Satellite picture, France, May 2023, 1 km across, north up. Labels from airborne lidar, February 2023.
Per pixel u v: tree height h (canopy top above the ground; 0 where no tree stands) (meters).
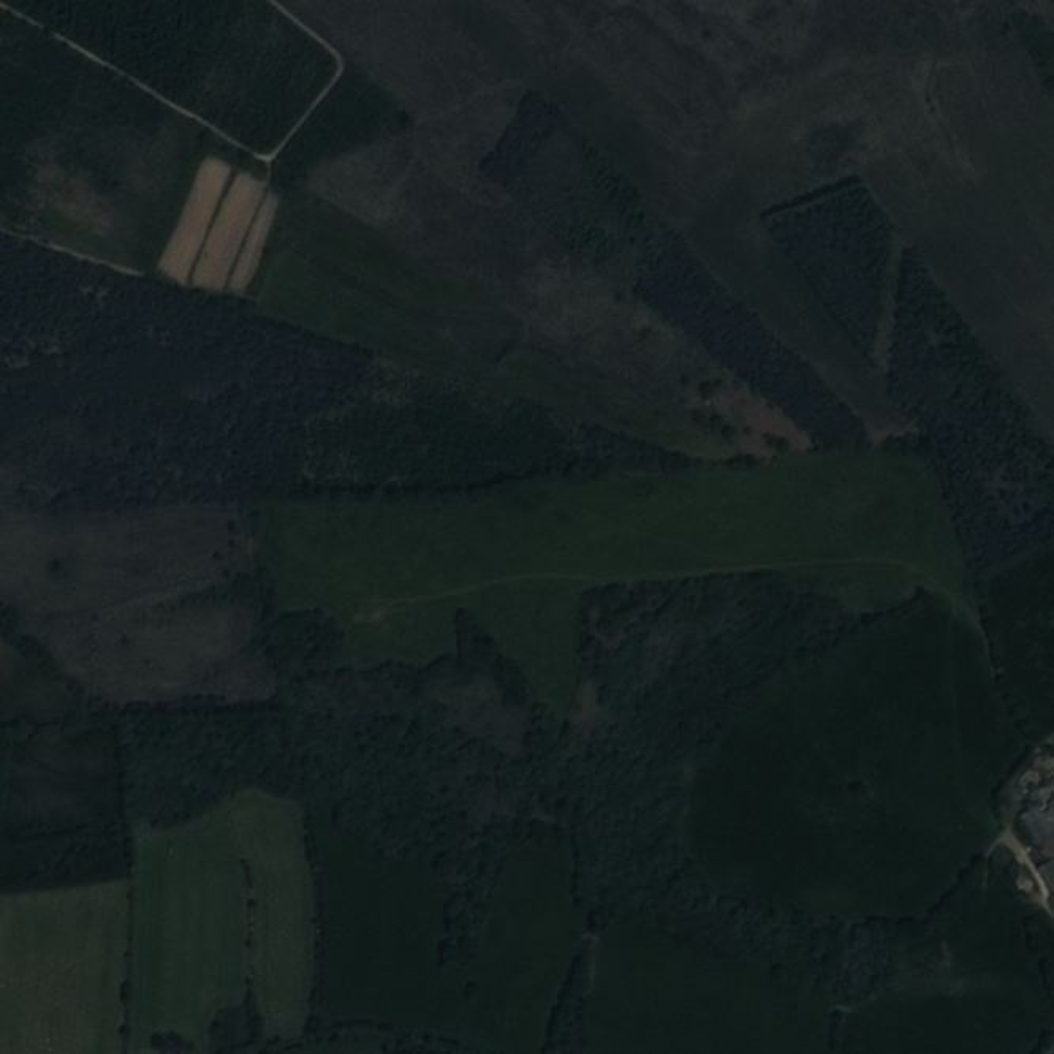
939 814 0
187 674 0
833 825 0
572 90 0
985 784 0
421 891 0
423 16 0
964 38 0
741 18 0
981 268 0
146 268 0
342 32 0
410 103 0
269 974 0
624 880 9
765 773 0
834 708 0
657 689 7
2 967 0
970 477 18
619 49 0
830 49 0
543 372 0
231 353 14
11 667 0
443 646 0
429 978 0
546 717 7
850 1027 0
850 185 15
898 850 0
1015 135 0
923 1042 0
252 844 0
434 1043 13
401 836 10
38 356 13
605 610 6
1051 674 0
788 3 0
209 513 0
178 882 0
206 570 0
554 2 0
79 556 0
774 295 0
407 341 0
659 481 0
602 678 8
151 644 0
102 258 0
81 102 0
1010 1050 0
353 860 0
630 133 0
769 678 9
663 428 0
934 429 14
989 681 0
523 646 0
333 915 0
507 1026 0
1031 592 0
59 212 0
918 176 0
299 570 0
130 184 0
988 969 0
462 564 0
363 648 0
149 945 0
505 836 12
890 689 0
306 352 17
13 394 12
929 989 0
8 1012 0
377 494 20
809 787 0
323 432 7
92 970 0
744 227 0
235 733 7
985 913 0
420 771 9
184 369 19
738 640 7
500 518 0
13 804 0
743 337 8
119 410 16
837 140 0
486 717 0
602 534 0
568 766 8
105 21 11
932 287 16
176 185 0
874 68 0
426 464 7
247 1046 6
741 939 9
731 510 0
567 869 0
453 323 0
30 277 11
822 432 12
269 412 16
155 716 23
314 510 0
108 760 0
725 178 0
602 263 6
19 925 0
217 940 0
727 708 9
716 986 0
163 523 0
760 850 0
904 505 0
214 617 0
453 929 15
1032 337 0
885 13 0
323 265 0
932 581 0
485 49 0
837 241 9
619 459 11
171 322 14
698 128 0
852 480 0
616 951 0
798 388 13
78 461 9
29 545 0
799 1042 0
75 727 7
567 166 0
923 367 11
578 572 0
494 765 6
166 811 11
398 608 0
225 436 8
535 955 0
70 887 0
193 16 6
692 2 0
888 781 0
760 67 0
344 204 0
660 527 0
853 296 12
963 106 0
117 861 0
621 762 7
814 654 9
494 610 0
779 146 0
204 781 12
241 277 0
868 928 10
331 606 0
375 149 0
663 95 0
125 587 0
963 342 9
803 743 0
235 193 0
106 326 10
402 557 0
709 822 0
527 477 8
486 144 0
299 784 13
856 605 0
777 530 0
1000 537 18
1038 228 0
